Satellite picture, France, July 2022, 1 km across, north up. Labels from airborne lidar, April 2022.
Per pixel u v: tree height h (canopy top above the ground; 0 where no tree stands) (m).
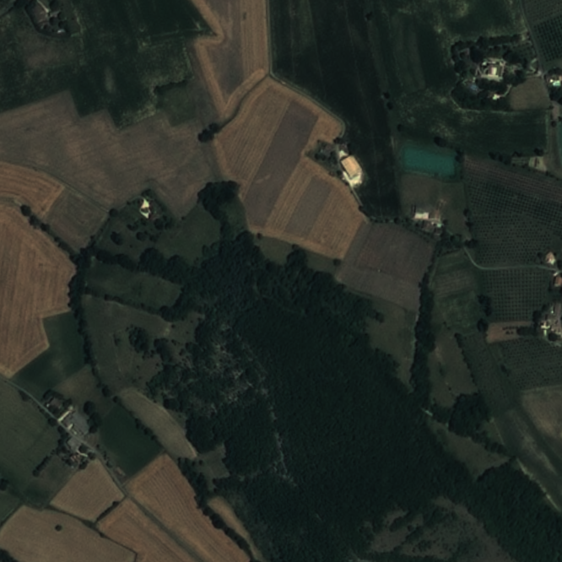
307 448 9
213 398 14
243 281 7
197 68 0
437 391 0
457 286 0
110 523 0
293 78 0
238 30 0
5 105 0
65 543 0
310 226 0
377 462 11
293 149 0
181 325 0
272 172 0
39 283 0
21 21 0
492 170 0
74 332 0
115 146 0
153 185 0
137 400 0
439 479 12
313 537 10
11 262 0
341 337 15
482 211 0
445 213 0
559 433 0
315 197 0
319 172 0
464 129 0
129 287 0
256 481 6
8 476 0
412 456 13
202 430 17
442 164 0
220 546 0
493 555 0
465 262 0
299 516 12
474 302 0
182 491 0
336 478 15
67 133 0
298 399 11
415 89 0
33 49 0
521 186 0
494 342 0
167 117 0
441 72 0
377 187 0
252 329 9
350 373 11
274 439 6
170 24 0
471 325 0
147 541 0
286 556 12
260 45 0
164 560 0
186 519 0
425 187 0
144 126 0
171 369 12
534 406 0
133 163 0
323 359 11
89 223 0
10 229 0
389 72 0
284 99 0
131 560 0
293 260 12
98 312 0
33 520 0
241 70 0
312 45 0
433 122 0
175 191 0
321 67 0
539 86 0
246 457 13
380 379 10
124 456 0
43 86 0
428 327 26
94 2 0
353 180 0
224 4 0
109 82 0
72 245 0
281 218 0
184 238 0
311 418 11
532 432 0
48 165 0
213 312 11
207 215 0
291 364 12
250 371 10
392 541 0
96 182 0
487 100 8
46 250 0
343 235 0
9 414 0
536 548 19
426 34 0
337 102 0
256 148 0
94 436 0
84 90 0
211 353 8
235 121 0
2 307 0
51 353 0
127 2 0
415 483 15
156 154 0
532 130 0
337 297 6
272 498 10
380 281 0
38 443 0
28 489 0
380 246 0
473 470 0
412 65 0
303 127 0
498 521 14
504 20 0
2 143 0
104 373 0
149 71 0
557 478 0
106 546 0
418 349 10
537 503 16
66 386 0
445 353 0
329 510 12
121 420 0
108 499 0
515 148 0
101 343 0
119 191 0
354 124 0
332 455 11
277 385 7
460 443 0
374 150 0
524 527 17
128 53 0
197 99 0
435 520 9
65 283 0
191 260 0
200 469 0
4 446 0
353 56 0
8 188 0
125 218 0
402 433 10
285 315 18
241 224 0
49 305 0
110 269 0
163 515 0
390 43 0
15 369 0
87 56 0
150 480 0
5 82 0
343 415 11
